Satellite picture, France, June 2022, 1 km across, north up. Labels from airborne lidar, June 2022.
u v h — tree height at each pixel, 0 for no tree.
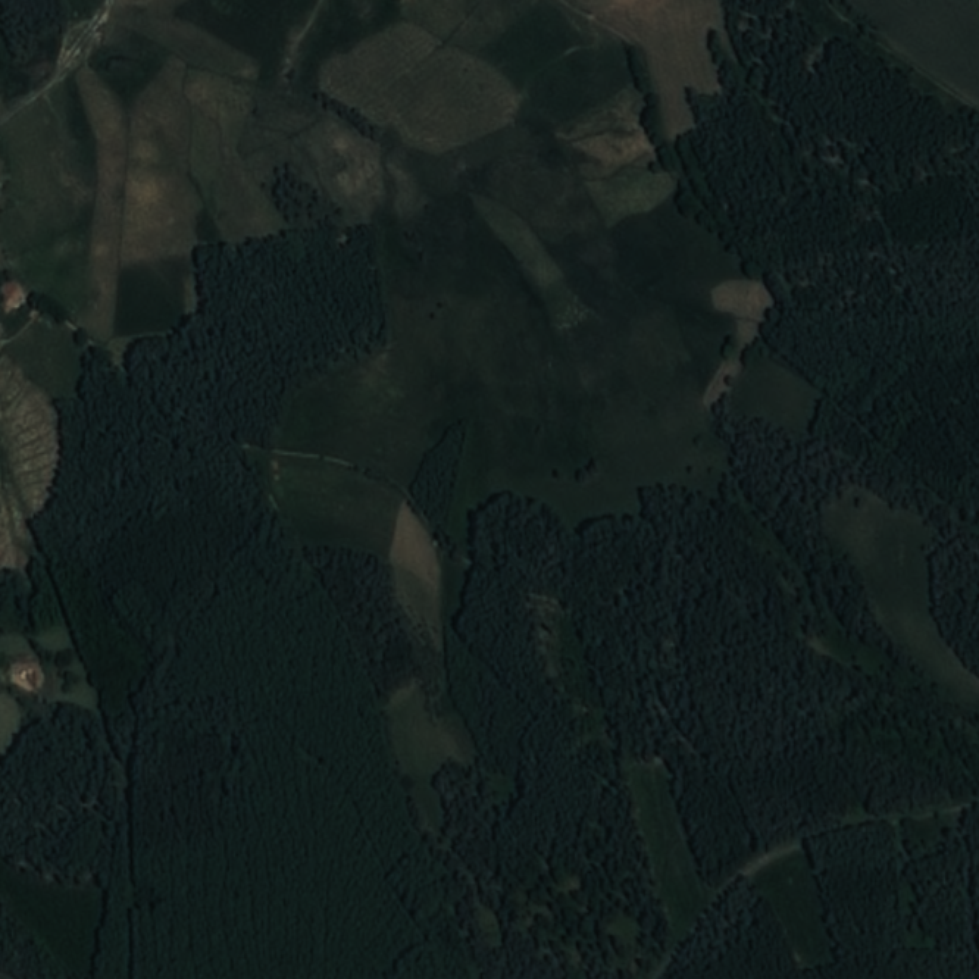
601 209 0
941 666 0
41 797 27
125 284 0
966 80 0
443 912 19
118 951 22
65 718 27
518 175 0
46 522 28
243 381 30
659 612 32
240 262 21
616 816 22
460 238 0
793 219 23
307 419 0
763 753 26
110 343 0
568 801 24
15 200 0
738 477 17
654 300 0
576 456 0
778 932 22
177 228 0
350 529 0
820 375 22
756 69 11
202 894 22
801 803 30
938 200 15
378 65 0
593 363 0
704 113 20
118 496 31
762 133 29
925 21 0
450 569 0
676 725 15
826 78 24
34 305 18
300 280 21
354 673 23
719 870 17
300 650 20
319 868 21
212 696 25
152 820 27
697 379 0
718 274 0
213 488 28
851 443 20
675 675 19
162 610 27
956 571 14
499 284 0
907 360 25
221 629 22
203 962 21
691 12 0
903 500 11
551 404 0
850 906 22
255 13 0
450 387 0
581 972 10
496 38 0
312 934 20
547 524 21
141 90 0
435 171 0
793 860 0
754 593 24
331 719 22
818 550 19
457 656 12
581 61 0
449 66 0
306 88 0
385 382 0
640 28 0
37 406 0
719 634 32
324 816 22
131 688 15
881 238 19
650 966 18
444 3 0
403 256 0
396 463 0
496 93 0
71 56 0
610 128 0
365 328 25
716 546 34
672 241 0
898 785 25
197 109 0
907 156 30
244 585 23
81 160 0
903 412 25
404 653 18
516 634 25
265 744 24
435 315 8
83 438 23
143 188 0
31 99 0
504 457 0
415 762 0
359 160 0
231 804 21
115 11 0
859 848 26
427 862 18
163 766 25
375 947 20
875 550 0
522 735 18
